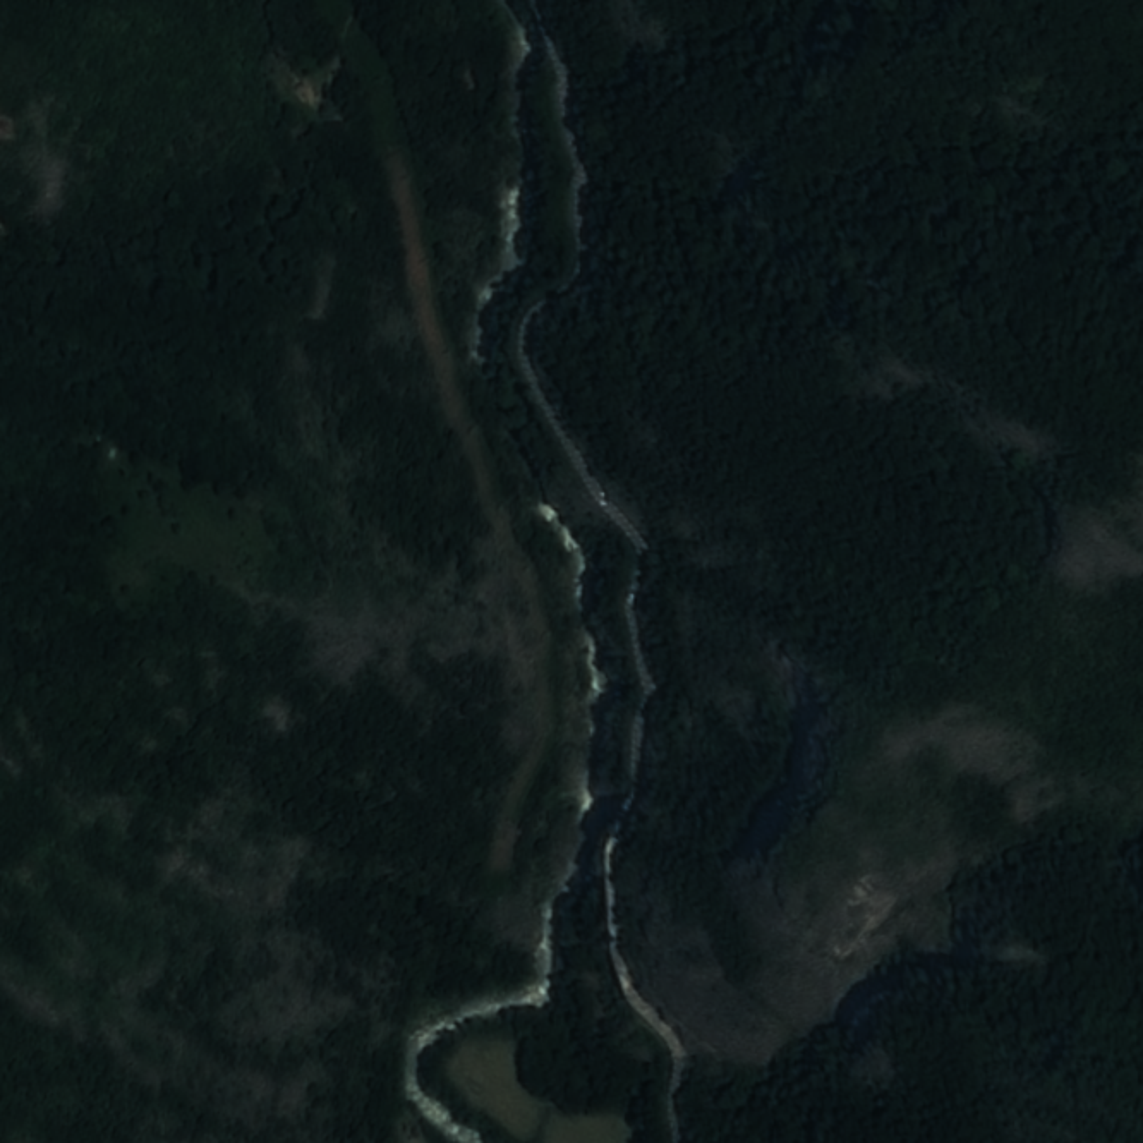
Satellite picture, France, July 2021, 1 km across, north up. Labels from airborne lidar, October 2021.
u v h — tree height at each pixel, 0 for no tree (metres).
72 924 13
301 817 21
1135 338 18
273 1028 6
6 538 22
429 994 12
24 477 24
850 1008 9
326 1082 10
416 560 8
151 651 11
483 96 30
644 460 13
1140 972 25
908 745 0
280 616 10
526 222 13
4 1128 16
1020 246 33
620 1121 0
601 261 16
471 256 7
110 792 14
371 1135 14
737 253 6
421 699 8
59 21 16
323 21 18
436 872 20
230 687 17
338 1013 6
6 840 14
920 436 22
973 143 11
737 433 17
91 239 12
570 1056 10
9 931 16
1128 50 12
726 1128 15
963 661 13
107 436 9
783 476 18
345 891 21
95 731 10
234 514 10
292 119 24
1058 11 13
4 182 11
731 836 9
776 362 21
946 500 25
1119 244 20
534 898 8
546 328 7
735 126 20
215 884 9
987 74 13
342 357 13
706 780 12
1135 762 8
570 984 15
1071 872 21
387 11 17
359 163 31
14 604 21
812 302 28
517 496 15
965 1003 25
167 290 35
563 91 0
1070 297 24
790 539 16
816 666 6
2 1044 23
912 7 18
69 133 13
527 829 15
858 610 14
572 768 7
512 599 8
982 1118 26
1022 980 20
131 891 7
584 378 17
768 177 18
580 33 19
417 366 12
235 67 13
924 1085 24
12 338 42
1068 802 8
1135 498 8
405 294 10
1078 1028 21
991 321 16
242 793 7
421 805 22
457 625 6
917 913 6
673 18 16
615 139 21
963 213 33
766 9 25
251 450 17
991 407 7
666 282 22
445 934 12
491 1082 0
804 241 19
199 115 11
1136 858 32
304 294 15
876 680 7
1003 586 11
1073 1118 11
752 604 15
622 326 17
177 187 19
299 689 17
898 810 8
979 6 22
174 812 12
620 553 9
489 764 20
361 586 8
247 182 18
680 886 9
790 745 0
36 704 17
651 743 9
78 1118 10
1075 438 11
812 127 20
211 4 16
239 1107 8
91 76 10
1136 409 16
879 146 22
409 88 17
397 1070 17
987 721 7
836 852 6
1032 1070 12
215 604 19
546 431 12
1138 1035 21
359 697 12
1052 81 14
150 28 13
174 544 0
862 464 17
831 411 21
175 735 20
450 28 13
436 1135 15
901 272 27
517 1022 22
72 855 6
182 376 22
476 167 12
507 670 6
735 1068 11
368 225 22
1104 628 7
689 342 10
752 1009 8
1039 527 15
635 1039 12
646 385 19
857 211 31
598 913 12
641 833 7
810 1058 9
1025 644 10
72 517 25
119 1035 6
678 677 11
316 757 24
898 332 19
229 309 23
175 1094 11
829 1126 37
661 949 6
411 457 14
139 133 10
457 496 7
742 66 25
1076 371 14
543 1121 0
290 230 23
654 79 19
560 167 12
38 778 13
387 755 19
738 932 8
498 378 13
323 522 7
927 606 14
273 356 18
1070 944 20
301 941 6
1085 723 17
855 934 10
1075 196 30
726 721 14
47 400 30
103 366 18
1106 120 15
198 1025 10
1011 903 12
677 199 23
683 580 16
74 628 20
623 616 7
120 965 6
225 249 24
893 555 20
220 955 16
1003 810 11
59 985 8
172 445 23
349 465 7
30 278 24
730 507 7
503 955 17
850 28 21
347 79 15
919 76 15
